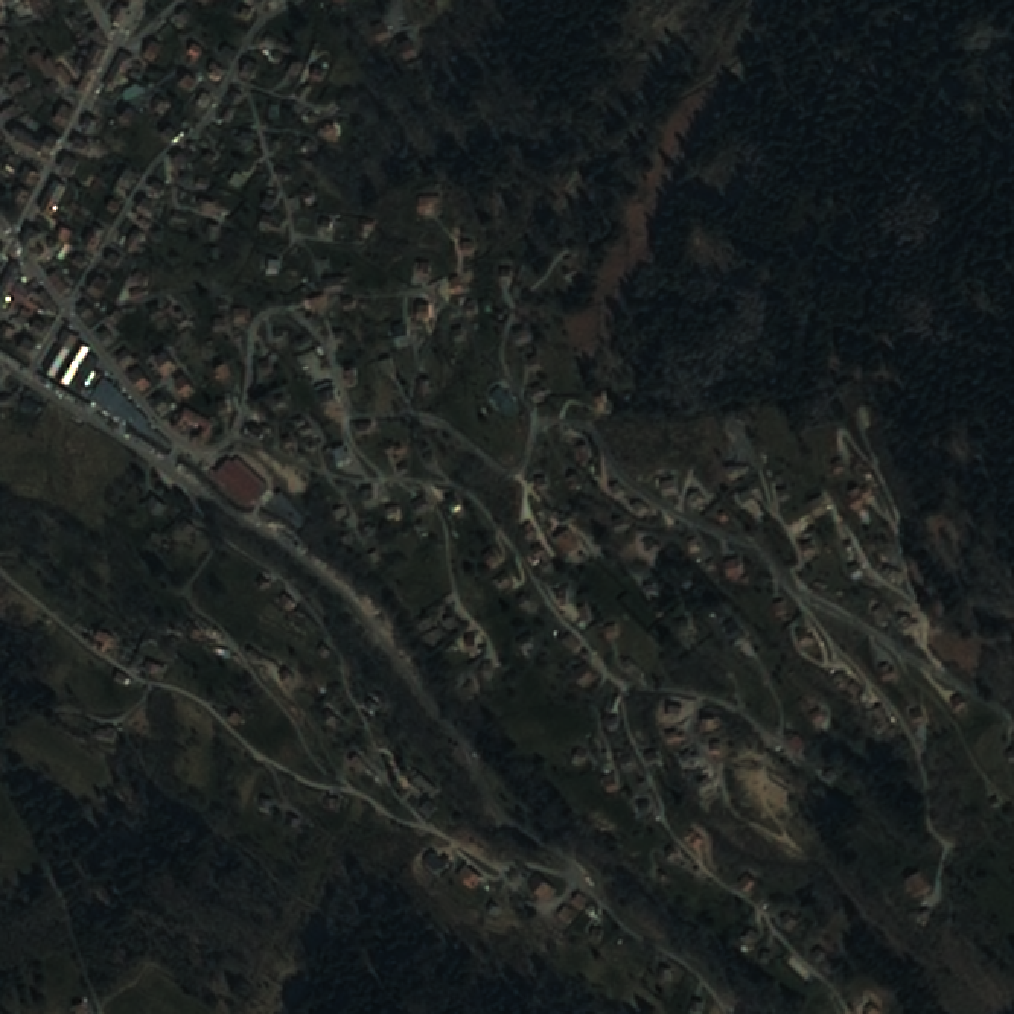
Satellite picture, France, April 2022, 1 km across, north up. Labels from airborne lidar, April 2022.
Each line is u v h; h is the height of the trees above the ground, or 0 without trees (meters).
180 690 0
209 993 12
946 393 28
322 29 0
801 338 29
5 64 0
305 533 10
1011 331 26
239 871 23
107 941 14
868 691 0
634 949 11
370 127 16
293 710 0
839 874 8
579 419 0
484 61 16
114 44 0
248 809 0
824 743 12
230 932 14
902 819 14
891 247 28
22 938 12
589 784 0
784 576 0
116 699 0
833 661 0
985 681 6
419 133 20
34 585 0
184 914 13
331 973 18
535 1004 22
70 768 0
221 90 0
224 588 20
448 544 0
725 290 24
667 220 15
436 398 0
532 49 28
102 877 23
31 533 11
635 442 0
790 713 0
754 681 0
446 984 27
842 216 0
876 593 9
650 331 15
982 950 16
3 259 0
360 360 9
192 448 0
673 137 0
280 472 0
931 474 28
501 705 0
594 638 0
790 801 9
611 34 35
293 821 0
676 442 0
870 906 6
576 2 33
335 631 15
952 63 20
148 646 0
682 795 6
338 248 0
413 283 0
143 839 14
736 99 25
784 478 0
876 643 0
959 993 0
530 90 23
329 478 0
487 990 16
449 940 6
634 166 12
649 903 21
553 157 23
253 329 0
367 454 0
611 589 0
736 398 9
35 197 0
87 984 11
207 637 0
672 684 6
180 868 18
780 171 24
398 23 0
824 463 0
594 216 27
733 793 0
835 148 25
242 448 0
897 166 25
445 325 0
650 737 6
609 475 0
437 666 23
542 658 6
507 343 0
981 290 16
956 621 7
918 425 31
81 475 0
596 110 13
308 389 0
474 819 11
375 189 26
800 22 23
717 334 23
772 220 26
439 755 13
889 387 11
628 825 0
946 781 9
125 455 0
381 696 11
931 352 26
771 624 0
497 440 0
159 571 24
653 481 0
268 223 0
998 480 24
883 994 0
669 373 18
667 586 11
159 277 0
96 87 0
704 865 0
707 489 0
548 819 25
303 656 0
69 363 0
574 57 25
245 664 0
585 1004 26
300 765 0
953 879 11
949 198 25
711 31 12
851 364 25
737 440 0
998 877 0
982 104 8
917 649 8
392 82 24
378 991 26
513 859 0
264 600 0
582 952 0
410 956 27
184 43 0
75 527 28
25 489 0
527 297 11
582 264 0
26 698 25
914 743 0
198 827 33
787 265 30
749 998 21
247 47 0
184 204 6
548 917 0
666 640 23
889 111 25
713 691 13
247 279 0
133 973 14
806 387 26
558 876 0
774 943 0
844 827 25
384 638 0
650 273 9
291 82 0
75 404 0
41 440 0
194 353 0
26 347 0
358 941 31
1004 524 22
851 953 15
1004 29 12
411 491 0
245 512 0
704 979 0
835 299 25
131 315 0
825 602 0
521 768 16
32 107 0
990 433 16
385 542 15
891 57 10
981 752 0
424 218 0
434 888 0
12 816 0
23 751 0
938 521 0
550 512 16
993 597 18
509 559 0
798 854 0
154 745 7
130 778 12
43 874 13
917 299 23
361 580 22
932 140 10
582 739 0
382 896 27
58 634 0
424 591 0
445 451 15
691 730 0
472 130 17
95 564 0
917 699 0
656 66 0
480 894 0
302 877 14
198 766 0
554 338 0
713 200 28
